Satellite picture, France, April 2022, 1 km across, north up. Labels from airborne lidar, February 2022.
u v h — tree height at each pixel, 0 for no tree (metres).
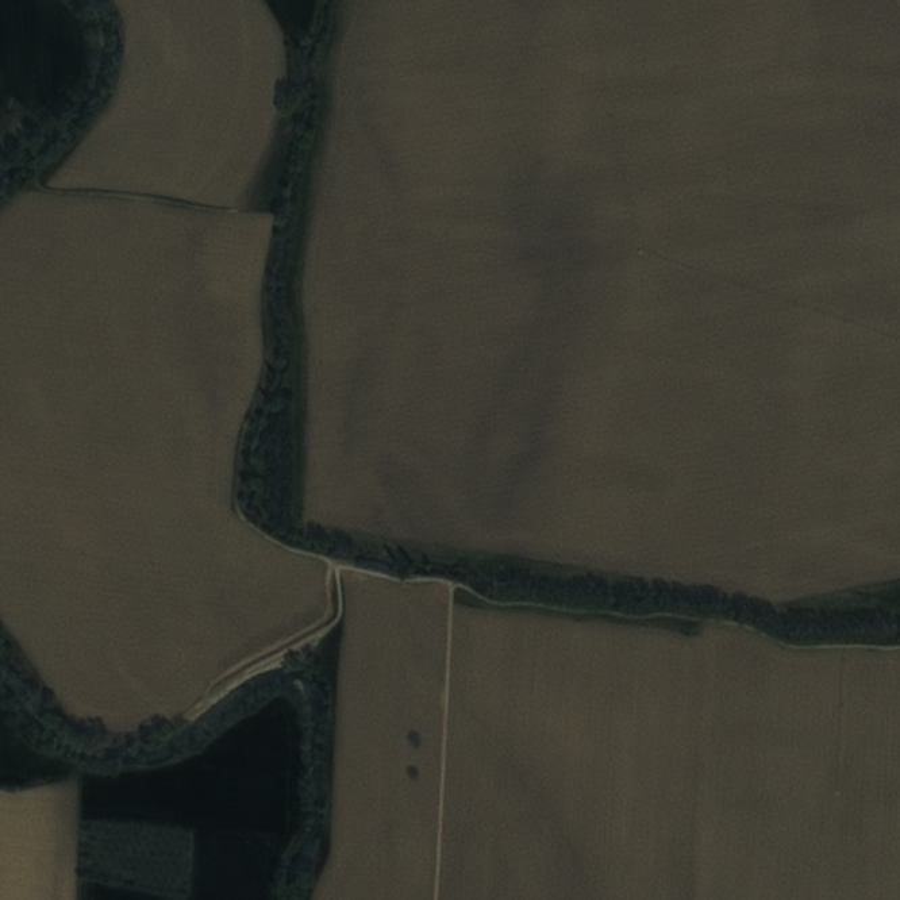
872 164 0
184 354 0
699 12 0
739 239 0
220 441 0
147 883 12
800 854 0
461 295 0
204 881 0
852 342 0
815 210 0
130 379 0
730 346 0
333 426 0
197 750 11
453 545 0
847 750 0
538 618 0
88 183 0
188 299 0
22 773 0
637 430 0
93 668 0
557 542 0
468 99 0
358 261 0
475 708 0
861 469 0
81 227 0
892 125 0
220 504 0
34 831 0
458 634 0
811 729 0
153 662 0
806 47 0
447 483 0
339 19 0
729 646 0
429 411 0
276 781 0
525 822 0
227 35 0
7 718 20
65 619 0
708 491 0
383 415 0
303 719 15
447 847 0
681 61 0
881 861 0
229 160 0
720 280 0
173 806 0
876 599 0
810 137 0
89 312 0
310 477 0
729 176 0
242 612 0
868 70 0
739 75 0
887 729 0
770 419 0
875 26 0
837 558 0
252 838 0
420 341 0
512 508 0
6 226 0
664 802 0
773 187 0
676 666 0
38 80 0
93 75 18
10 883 0
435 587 0
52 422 0
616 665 0
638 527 0
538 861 0
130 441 0
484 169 0
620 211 0
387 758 0
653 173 0
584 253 0
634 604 29
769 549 0
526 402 0
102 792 0
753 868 0
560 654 0
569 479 0
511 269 0
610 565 0
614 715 0
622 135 0
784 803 0
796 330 0
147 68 0
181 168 0
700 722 0
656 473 0
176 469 0
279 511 18
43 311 0
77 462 0
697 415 0
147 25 0
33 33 0
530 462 0
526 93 0
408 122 0
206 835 0
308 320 0
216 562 0
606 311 0
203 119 0
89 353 0
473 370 0
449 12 0
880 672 0
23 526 0
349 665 0
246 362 0
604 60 0
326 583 0
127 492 0
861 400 0
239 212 0
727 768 0
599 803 0
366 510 0
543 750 0
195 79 0
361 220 0
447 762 0
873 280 0
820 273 0
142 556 0
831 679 0
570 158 0
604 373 0
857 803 0
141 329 0
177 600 0
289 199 18
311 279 0
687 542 0
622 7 0
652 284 0
